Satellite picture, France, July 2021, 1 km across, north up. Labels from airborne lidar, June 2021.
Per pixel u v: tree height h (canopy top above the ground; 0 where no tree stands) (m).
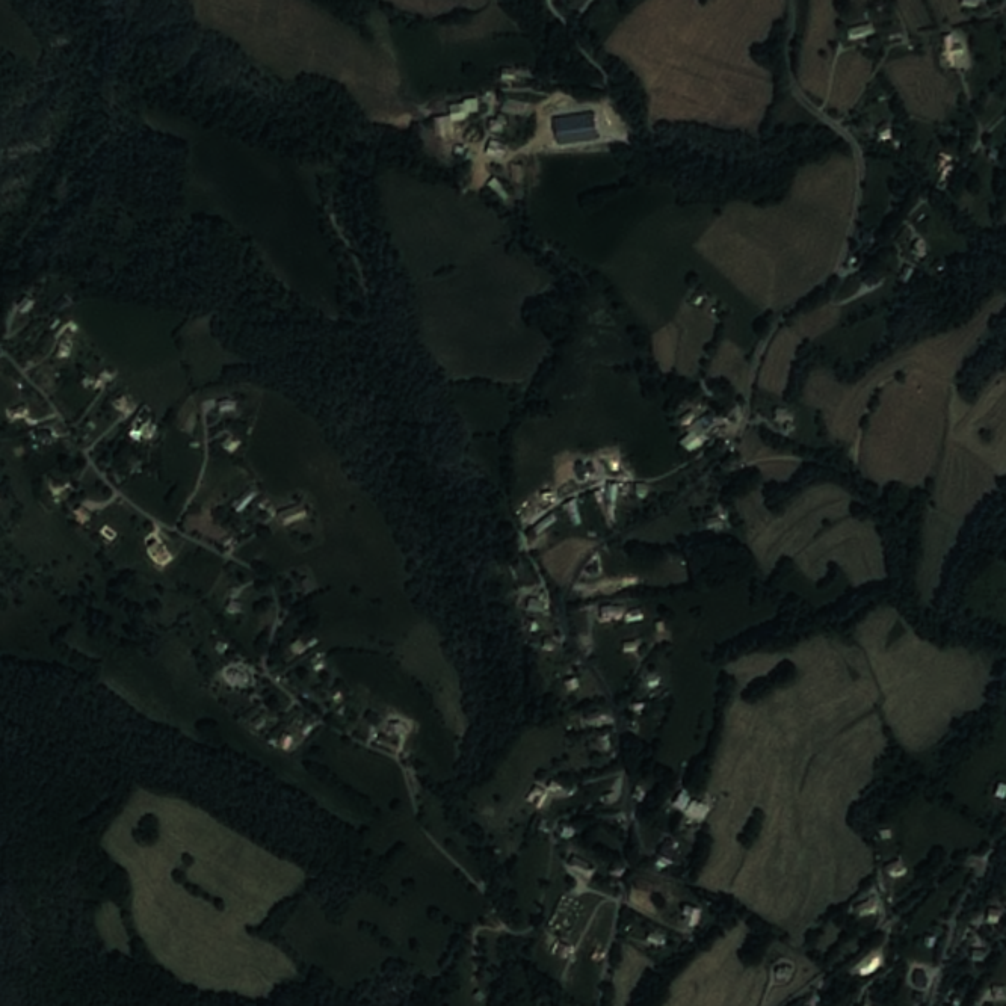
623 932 6
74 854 21
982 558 23
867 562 0
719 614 0
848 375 11
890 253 10
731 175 17
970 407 0
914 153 6
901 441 0
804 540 0
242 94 12
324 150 8
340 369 15
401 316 18
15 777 28
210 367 0
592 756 9
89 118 7
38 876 19
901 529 17
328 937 0
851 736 0
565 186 0
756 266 0
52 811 29
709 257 0
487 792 0
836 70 0
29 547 0
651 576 0
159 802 0
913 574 20
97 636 17
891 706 0
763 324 17
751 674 0
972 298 7
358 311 31
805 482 15
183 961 0
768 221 0
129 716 16
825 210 0
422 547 8
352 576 0
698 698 0
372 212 23
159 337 0
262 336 26
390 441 14
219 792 22
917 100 0
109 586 8
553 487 0
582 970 0
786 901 0
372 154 25
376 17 0
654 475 0
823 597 0
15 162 8
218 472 0
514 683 19
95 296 7
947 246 0
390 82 0
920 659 0
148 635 8
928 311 16
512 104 0
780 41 14
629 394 0
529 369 0
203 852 0
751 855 0
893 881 0
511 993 17
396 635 0
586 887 0
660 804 16
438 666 0
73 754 28
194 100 14
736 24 0
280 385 13
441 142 0
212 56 16
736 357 0
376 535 0
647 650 9
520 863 7
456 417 10
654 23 0
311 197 0
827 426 6
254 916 0
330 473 0
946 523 0
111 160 21
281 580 6
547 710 10
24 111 8
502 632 13
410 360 18
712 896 8
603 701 10
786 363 0
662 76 0
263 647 12
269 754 0
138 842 7
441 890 0
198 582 0
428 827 10
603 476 0
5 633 0
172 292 18
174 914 0
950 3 0
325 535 0
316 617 12
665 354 0
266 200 0
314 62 0
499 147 0
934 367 0
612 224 0
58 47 6
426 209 0
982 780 0
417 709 0
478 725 16
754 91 0
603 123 0
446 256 0
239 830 13
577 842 11
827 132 14
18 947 13
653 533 0
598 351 0
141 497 0
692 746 0
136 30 21
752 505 0
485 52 0
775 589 13
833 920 7
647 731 0
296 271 0
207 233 21
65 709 22
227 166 0
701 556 27
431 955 0
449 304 0
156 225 12
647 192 0
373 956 0
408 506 26
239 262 23
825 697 0
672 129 14
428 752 0
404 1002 18
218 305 10
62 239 18
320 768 15
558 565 0
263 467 0
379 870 11
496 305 0
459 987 10
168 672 0
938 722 0
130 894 11
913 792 15
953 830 0
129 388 0
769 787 0
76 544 0
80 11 23
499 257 0
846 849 0
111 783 28
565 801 0
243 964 0
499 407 0
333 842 18
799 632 27
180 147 30
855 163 0
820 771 0
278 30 0
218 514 9
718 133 14
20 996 11
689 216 0
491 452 0
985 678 0
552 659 7
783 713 0
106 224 7
